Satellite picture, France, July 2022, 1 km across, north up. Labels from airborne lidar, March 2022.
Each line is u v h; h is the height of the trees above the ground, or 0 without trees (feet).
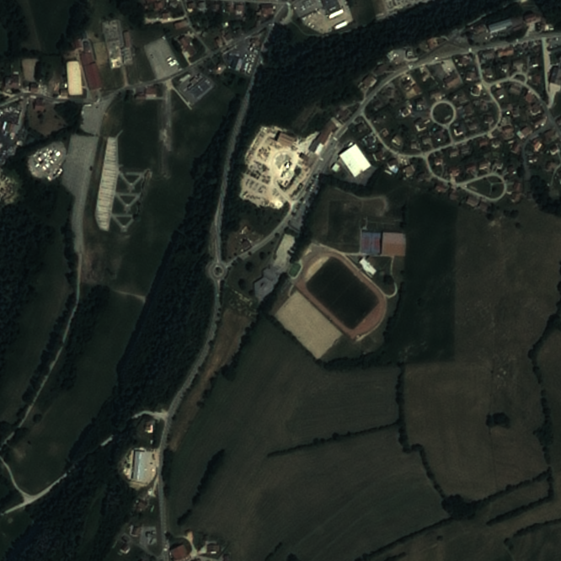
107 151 0
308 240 60
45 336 0
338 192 0
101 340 0
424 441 0
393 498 0
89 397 0
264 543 0
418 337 0
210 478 53
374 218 0
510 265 0
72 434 0
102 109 0
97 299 20
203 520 0
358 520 0
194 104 0
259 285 0
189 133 0
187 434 0
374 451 0
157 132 0
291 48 0
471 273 0
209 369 0
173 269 40
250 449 0
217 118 0
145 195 0
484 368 0
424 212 0
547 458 21
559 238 0
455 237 0
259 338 0
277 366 0
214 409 0
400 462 0
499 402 0
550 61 0
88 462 74
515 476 0
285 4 0
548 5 62
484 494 0
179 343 23
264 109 26
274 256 0
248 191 0
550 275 0
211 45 0
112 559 0
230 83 34
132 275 0
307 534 0
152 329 49
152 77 0
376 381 0
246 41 0
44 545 92
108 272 0
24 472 0
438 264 0
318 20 0
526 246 0
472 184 0
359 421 0
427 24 74
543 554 0
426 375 0
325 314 0
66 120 30
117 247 0
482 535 0
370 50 55
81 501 70
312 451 0
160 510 0
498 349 0
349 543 0
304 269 0
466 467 0
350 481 0
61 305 0
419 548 0
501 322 0
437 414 0
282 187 25
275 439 0
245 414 0
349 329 0
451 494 0
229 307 0
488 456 0
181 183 0
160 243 0
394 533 0
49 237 50
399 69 0
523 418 0
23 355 0
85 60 0
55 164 0
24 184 19
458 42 0
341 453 0
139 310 0
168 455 42
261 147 0
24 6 0
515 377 0
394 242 0
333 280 0
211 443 0
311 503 0
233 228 57
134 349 61
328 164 0
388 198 0
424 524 0
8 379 0
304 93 55
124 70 0
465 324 0
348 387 0
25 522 0
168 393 33
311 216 60
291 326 0
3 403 0
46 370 61
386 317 0
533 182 36
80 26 77
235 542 0
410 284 0
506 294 0
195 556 0
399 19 78
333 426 0
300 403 0
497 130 0
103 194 0
